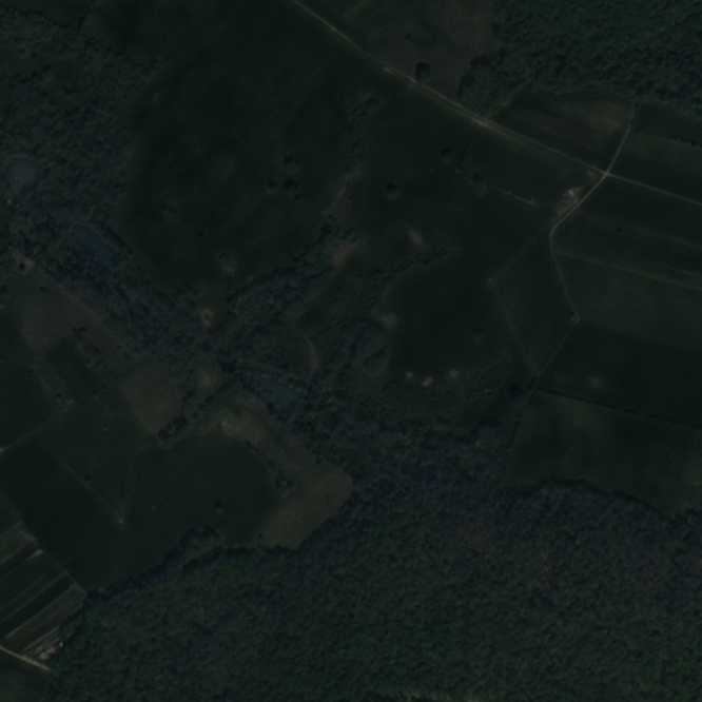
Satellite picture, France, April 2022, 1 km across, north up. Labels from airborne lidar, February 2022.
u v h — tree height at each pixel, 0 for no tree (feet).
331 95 0
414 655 79
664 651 95
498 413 0
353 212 0
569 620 99
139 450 0
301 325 0
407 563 89
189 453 0
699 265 0
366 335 68
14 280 0
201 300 0
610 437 0
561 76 74
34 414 0
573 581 98
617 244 0
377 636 84
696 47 66
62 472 0
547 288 0
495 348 0
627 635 97
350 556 94
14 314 0
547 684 80
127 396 0
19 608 0
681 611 120
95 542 0
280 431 0
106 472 0
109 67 19
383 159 0
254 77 0
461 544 99
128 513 0
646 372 0
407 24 0
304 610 79
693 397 0
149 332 63
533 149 0
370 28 0
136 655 84
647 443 0
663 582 108
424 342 0
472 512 85
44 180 67
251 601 93
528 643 95
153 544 0
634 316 0
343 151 0
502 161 0
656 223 0
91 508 0
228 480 0
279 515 0
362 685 71
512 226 0
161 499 0
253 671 80
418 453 30
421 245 0
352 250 0
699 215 0
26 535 0
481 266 0
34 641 0
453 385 0
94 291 77
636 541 103
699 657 89
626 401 0
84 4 0
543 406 0
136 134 0
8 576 0
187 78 0
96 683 80
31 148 18
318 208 0
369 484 82
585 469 0
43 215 91
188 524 0
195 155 0
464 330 0
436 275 0
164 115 0
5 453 0
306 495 0
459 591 94
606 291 0
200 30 0
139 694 84
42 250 23
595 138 0
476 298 0
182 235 0
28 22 82
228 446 0
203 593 72
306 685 64
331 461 19
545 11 78
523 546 101
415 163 0
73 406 0
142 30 0
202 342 22
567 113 0
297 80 0
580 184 0
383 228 0
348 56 0
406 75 0
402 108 0
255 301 72
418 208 0
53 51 28
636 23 76
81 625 32
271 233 0
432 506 81
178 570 71
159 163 0
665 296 0
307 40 0
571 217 0
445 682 85
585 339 0
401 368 0
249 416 0
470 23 0
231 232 0
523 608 90
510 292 0
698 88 61
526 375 0
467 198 0
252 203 0
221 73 0
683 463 0
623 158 0
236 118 0
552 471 0
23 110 62
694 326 0
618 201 0
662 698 96
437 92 0
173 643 94
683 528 76
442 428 56
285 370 60
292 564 94
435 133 0
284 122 0
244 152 0
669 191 0
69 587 0
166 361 54
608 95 0
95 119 57
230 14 0
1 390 0
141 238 0
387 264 0
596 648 95
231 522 0
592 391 0
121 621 91
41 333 0
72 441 0
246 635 93
